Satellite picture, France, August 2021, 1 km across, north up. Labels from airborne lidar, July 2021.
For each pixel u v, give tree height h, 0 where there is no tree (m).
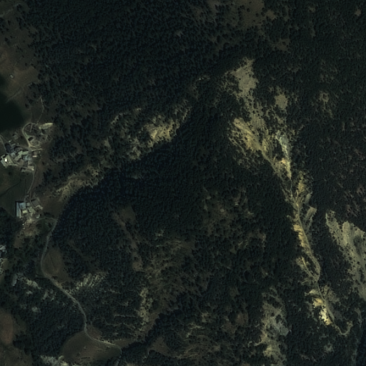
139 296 8
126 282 10
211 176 17
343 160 15
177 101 9
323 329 8
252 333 17
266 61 20
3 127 0
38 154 7
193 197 15
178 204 16
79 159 13
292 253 24
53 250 0
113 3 16
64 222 9
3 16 0
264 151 0
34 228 0
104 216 12
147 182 10
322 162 18
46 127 0
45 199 0
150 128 0
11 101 0
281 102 0
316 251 10
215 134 14
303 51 13
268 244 17
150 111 13
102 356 0
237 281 21
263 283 17
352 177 15
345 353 15
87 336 0
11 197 0
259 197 22
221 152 17
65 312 9
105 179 11
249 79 0
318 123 16
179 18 13
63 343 11
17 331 0
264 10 14
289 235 22
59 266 0
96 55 21
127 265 16
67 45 12
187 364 13
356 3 12
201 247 11
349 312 13
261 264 14
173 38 19
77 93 15
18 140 0
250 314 22
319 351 13
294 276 18
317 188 17
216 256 17
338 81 10
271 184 16
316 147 18
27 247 14
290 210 7
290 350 12
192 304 15
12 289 8
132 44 11
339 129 16
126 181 21
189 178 12
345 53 11
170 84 17
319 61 20
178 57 16
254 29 9
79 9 19
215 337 9
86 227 17
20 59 0
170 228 14
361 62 17
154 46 21
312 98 15
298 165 7
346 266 18
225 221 10
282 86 15
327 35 19
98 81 17
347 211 16
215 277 9
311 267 12
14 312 9
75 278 10
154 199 21
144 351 10
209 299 11
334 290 9
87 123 24
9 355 0
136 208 15
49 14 15
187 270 17
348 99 19
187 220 12
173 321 13
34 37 13
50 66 10
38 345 7
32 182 0
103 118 9
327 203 14
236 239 14
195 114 22
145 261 7
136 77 11
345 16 21
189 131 22
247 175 23
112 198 24
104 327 6
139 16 9
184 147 10
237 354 18
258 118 0
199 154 14
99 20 21
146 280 11
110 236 15
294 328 20
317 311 10
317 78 15
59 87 8
